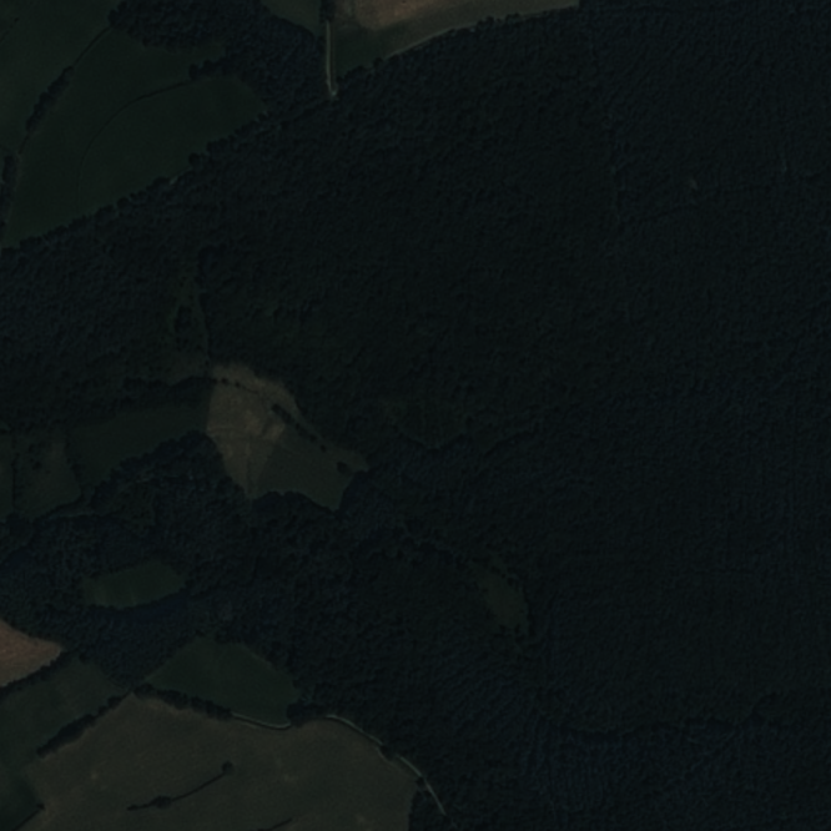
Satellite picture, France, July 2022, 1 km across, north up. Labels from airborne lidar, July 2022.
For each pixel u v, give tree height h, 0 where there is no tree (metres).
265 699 0
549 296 16
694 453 20
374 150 15
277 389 0
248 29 22
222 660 0
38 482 0
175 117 0
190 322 13
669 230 18
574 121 24
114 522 23
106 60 0
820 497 25
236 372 0
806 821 18
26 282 19
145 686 10
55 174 0
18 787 0
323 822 0
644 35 23
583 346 20
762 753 22
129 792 0
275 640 10
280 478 0
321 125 16
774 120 21
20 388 22
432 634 17
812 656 19
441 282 17
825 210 19
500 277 16
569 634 21
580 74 17
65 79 8
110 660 24
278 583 23
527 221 17
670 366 18
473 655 20
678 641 19
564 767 23
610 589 17
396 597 20
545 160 18
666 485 22
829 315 20
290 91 19
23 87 0
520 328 17
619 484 19
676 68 18
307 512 18
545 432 24
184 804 0
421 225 16
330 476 0
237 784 0
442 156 8
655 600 16
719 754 26
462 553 6
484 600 14
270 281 21
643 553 20
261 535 23
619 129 18
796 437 20
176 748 0
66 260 14
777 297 16
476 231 13
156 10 18
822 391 20
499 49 16
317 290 18
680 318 17
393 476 19
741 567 17
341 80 11
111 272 17
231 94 0
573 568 18
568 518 15
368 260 17
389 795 0
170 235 15
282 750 0
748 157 16
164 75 0
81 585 11
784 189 18
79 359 22
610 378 22
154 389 17
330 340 25
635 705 16
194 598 24
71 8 0
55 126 0
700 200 14
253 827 0
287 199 21
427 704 16
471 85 18
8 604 29
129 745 0
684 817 25
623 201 20
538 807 26
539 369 20
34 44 0
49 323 21
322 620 6
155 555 20
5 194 13
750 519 22
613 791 20
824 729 19
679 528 19
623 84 21
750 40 27
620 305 17
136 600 0
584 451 20
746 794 21
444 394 24
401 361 20
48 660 0
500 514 25
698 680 16
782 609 22
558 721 17
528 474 16
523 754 27
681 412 22
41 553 20
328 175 18
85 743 0
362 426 22
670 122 18
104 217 16
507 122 16
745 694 22
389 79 15
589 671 17
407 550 28
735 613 19
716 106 16
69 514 7
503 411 23
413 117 19
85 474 7
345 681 14
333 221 17
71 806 0
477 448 27
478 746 19
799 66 19
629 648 20
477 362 17
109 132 0
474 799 20
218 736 0
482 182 16
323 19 6
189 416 0
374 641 16
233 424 0
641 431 21
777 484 25
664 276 20
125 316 19
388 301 17
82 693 0
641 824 19
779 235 25
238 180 23
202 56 0
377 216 18
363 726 8
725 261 16
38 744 0
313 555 17
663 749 28
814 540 22
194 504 23
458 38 11
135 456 0
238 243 20
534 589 24
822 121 21
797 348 24
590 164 18
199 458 22
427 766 11
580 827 18
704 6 23
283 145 11
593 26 22
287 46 28
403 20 0
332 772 0
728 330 19
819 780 18
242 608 19
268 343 25
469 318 16
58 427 14
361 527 23
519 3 0
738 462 23
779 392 24
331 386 23
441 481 31
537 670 17
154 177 0
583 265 17
